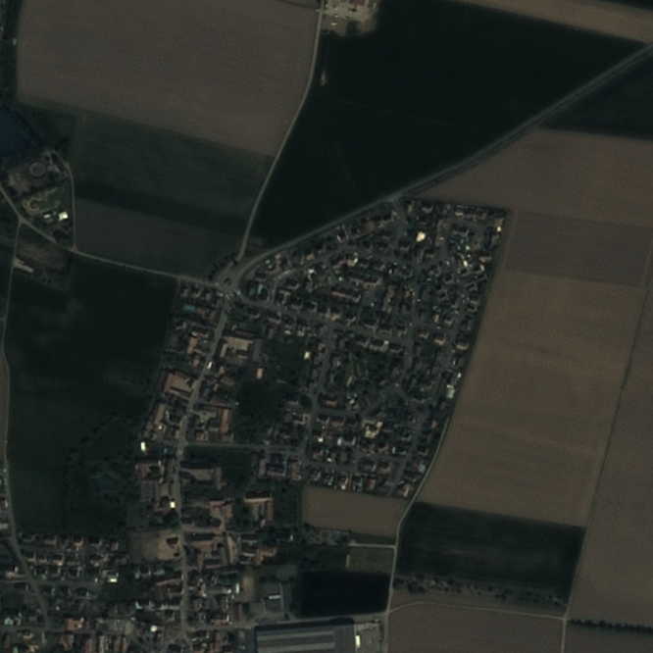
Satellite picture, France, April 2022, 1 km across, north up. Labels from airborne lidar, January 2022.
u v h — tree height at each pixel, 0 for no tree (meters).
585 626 8
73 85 0
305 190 0
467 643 0
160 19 0
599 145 0
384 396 0
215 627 0
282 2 0
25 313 0
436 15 0
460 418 0
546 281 0
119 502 9
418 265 0
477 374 0
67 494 6
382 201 0
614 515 0
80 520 0
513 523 0
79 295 0
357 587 0
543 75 0
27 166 0
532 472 0
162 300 0
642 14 0
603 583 0
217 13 0
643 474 0
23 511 0
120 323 0
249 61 0
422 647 0
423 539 0
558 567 0
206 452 0
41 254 0
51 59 0
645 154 0
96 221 0
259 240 0
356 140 0
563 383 0
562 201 0
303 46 0
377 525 0
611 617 0
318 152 0
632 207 0
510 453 0
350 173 0
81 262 0
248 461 0
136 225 0
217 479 0
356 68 0
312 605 0
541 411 0
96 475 12
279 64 0
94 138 0
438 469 0
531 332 0
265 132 0
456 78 0
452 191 0
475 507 0
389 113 0
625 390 0
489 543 0
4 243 0
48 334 0
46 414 0
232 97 0
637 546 0
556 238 0
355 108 0
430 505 0
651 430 0
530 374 0
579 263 0
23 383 0
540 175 0
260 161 0
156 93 0
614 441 0
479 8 0
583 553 0
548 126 0
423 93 0
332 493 0
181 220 0
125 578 0
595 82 0
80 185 0
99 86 0
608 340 0
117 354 0
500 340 0
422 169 0
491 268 0
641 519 0
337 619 0
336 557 0
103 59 0
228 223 0
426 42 0
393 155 0
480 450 0
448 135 0
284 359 0
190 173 0
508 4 0
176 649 0
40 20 0
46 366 0
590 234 0
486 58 0
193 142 0
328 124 0
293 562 11
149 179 0
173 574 12
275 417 0
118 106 0
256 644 0
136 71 0
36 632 0
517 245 0
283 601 0
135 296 0
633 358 0
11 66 0
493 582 0
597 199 0
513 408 0
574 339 0
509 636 0
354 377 0
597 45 0
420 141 0
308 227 0
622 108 0
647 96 0
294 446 10
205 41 0
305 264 0
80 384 0
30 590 0
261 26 0
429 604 0
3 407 0
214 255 0
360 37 0
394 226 0
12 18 0
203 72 0
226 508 0
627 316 0
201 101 0
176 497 0
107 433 0
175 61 0
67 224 9
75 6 0
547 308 0
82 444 7
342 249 0
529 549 0
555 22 0
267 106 0
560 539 0
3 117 0
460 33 0
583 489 0
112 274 0
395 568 0
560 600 7
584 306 0
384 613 0
